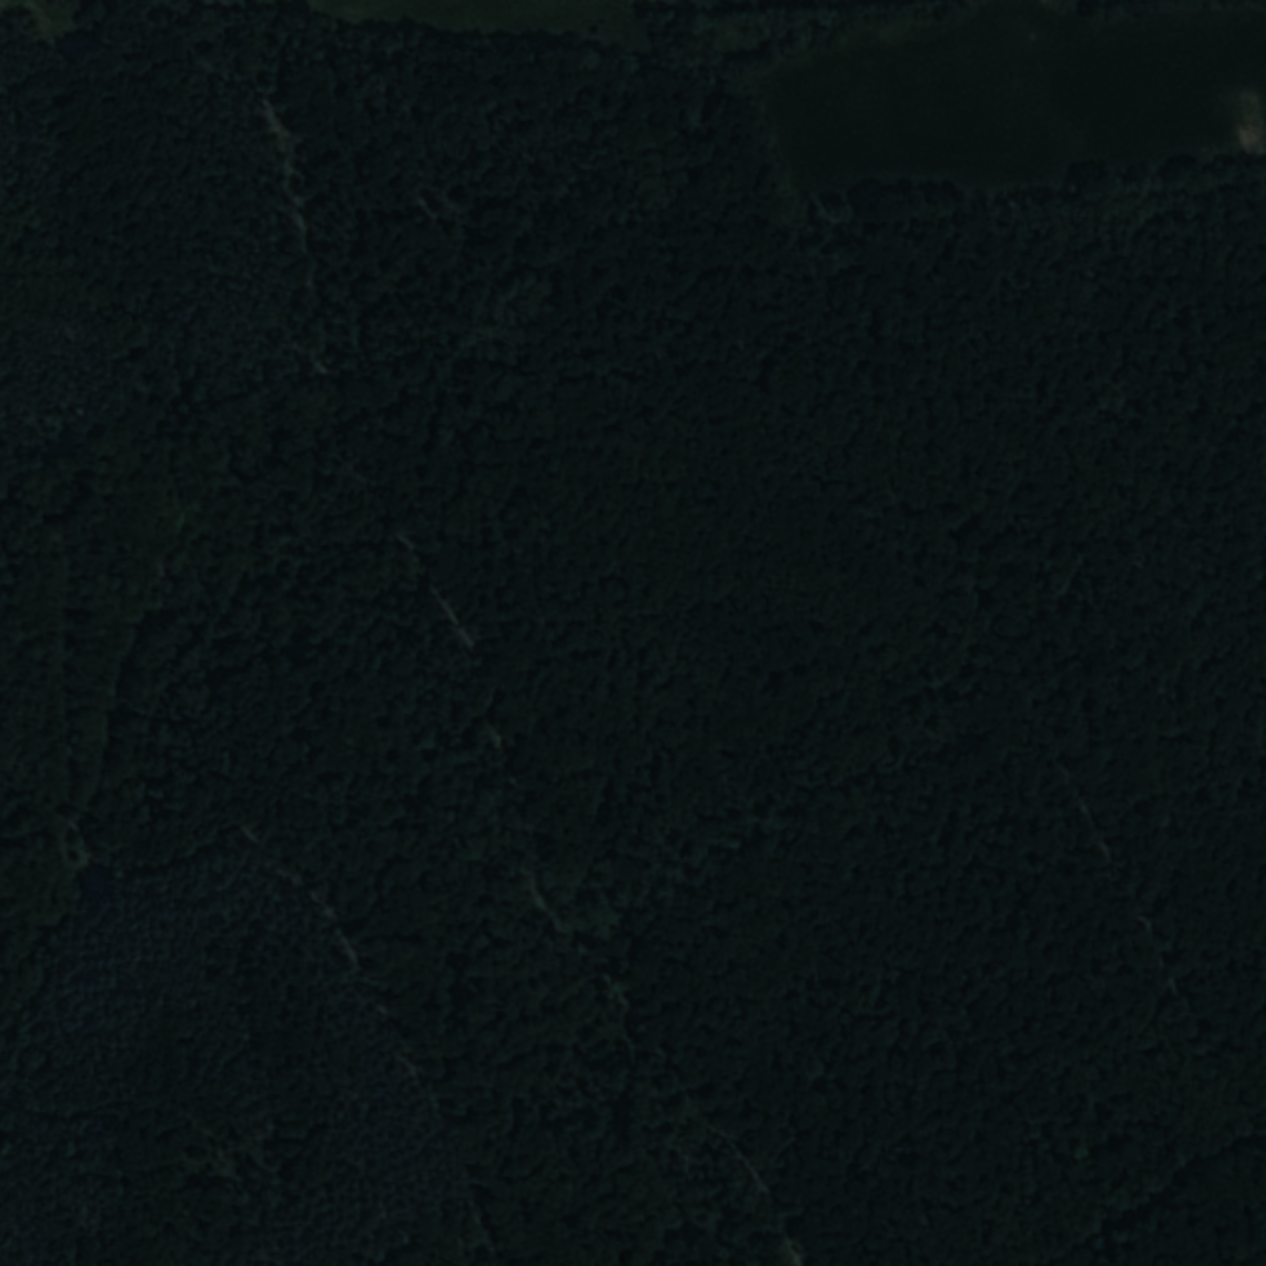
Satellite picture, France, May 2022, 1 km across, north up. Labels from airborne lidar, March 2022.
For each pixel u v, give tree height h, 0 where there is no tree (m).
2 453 27
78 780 31
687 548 27
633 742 27
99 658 35
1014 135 0
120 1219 23
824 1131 27
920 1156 29
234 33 20
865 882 26
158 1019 25
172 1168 24
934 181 0
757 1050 28
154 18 21
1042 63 0
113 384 28
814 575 26
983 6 0
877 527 26
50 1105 22
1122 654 27
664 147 29
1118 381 28
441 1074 35
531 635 28
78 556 26
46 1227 26
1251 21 0
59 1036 21
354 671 35
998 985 27
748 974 27
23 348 24
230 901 22
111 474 29
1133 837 24
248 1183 27
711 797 28
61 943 29
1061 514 27
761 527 26
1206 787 27
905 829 31
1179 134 0
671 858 27
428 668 27
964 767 27
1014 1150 25
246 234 16
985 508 26
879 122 0
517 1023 35
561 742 29
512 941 36
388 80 26
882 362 25
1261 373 29
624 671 26
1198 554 24
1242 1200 26
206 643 31
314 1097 30
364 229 28
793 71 0
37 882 35
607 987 28
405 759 34
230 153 26
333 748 39
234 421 30
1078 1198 25
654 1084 33
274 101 21
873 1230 27
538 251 30
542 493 28
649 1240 35
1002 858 27
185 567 27
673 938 26
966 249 26
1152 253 31
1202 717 22
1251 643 23
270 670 32
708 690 27
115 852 29
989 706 26
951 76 0
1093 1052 27
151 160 25
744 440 26
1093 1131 25
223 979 17
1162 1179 22
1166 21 0
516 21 0
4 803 26
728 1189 26
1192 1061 25
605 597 26
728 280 26
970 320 28
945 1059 26
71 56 31
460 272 25
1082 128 0
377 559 27
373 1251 25
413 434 32
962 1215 25
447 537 29
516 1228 29
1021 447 28
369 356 25
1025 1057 26
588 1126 30
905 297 27
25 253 22
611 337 21
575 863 33
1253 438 28
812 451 27
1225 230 29
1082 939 27
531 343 28
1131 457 30
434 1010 36
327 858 27
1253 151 0
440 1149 31
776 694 28
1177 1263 30
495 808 29
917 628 28
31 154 32
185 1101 22
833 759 29
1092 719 23
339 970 31
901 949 26
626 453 27
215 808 31
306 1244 28
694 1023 26
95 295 23
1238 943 24
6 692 25
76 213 23
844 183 0
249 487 37
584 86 6
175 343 31
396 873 34
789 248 24
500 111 30
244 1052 19
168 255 27
